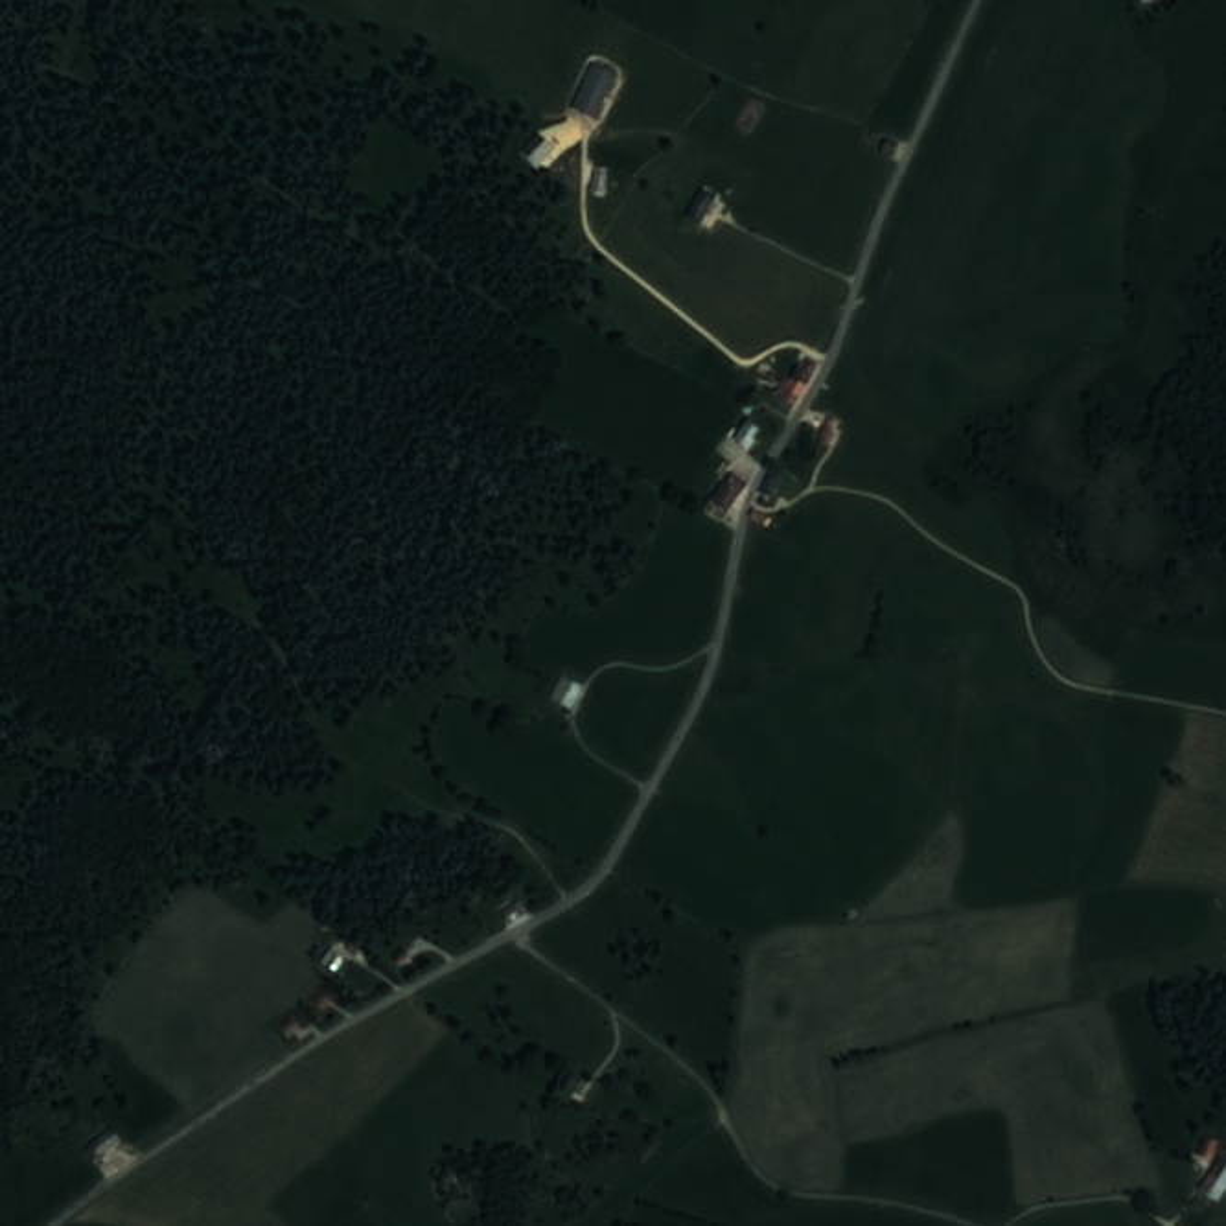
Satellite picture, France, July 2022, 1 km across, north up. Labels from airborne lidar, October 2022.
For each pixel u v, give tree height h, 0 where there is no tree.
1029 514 0
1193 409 13
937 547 0
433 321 9
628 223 0
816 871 0
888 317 0
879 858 0
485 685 0
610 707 0
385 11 0
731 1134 0
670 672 0
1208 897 0
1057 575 0
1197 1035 25
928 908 0
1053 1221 0
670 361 0
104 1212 0
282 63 21
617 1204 0
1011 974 0
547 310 18
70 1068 12
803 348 0
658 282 0
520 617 0
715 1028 0
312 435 22
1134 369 0
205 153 22
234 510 27
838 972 0
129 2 24
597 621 0
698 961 0
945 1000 0
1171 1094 0
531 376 18
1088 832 0
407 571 20
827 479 0
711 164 0
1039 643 0
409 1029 0
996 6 0
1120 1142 0
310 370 28
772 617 0
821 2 0
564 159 0
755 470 0
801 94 0
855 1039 0
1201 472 14
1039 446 0
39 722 9
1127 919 0
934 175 0
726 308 0
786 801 0
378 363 16
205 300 0
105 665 17
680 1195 0
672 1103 0
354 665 25
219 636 25
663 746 0
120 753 11
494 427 17
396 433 20
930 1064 0
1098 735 0
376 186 0
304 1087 0
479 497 26
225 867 20
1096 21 0
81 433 25
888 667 0
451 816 0
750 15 0
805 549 0
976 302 0
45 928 16
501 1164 14
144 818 19
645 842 0
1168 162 0
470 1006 0
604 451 0
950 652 0
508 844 0
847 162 0
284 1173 0
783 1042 0
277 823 0
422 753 15
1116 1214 0
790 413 0
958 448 0
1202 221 0
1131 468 0
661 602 0
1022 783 0
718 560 0
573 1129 0
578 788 0
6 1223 0
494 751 0
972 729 0
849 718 0
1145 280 0
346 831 0
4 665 18
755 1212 0
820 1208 0
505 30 0
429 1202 0
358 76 0
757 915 0
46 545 26
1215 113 0
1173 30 0
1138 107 0
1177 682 0
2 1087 22
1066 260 0
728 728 0
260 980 0
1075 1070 0
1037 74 0
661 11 0
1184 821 0
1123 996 0
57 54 23
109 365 17
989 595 0
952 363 0
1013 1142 0
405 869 25
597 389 0
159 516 26
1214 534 11
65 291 21
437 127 21
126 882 20
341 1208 0
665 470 0
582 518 15
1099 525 0
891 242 0
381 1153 0
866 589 0
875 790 0
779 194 0
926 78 0
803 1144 0
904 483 0
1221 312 11
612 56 0
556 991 0
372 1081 0
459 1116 0
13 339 27
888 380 0
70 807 22
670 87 0
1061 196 0
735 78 0
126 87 19
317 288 24
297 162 24
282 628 27
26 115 23
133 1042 0
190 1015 0
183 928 0
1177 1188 0
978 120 0
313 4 0
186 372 20
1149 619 0
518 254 24
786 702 0
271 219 26
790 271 0
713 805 0
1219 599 0
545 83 0
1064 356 0
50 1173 0
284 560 24
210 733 27
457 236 16
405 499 20
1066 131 0
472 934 0
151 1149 0
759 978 0
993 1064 0
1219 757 0
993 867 0
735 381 0
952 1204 0
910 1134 0
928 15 0
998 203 0
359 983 0
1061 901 0
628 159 0
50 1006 16
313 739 19
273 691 21
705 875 0
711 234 0
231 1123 0
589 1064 0
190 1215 0
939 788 0
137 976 0
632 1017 0
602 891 0
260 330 24
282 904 0
